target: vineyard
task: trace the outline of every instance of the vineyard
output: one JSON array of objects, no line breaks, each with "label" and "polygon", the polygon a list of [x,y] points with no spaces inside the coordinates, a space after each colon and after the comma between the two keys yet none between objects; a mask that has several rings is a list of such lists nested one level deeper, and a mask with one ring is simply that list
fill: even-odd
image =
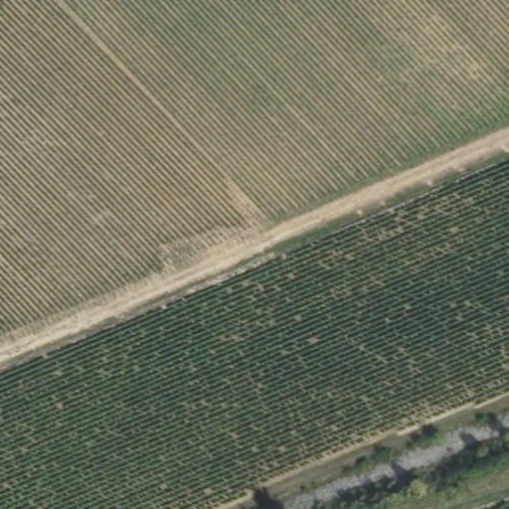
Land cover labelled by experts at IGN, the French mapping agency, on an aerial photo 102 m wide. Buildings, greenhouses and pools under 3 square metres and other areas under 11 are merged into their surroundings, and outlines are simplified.
[{"label": "vineyard", "polygon": [[503,127],[509,127],[509,0],[0,0],[0,344],[20,340],[28,334],[38,334],[46,326],[56,324],[68,316],[74,316],[84,308],[101,306],[105,294],[115,294],[127,284],[137,284],[155,272],[163,270],[165,274],[173,274],[181,268],[197,264],[203,258],[207,258],[207,249],[223,245],[223,241],[237,239],[239,243],[243,243],[251,239],[260,239],[262,233],[274,229],[284,221],[310,213],[340,197],[352,195],[378,181],[418,167],[433,157],[463,147]]},{"label": "vineyard", "polygon": [[481,157],[465,165],[463,171],[449,171],[437,177],[431,185],[418,183],[414,187],[408,187],[396,193],[394,197],[388,197],[380,205],[372,203],[368,207],[356,207],[348,215],[332,219],[302,235],[280,241],[223,270],[187,282],[177,290],[141,302],[133,306],[129,312],[125,312],[121,318],[105,318],[103,322],[87,330],[64,336],[56,342],[44,344],[36,350],[30,350],[22,356],[16,356],[0,364],[0,509],[211,509],[219,503],[227,503],[245,495],[245,489],[253,491],[254,495],[260,489],[258,481],[266,481],[272,475],[288,471],[296,463],[302,465],[312,457],[320,457],[324,451],[336,451],[344,447],[350,441],[352,433],[372,435],[380,429],[396,427],[400,420],[416,414],[416,406],[420,402],[427,402],[431,406],[445,406],[449,410],[469,402],[483,402],[487,398],[497,396],[499,392],[509,390],[509,153],[501,151],[489,157]]}]

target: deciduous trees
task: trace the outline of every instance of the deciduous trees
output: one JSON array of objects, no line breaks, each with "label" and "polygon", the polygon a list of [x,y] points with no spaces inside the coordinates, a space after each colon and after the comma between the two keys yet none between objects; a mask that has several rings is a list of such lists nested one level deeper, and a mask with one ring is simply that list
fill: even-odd
[{"label": "deciduous trees", "polygon": [[443,489],[457,489],[463,481],[483,479],[493,469],[505,471],[509,467],[509,425],[505,427],[501,424],[493,412],[479,410],[475,412],[475,422],[481,427],[491,427],[493,431],[497,431],[497,437],[473,439],[471,443],[463,445],[457,453],[443,457],[435,463],[425,483],[441,493]]},{"label": "deciduous trees", "polygon": [[384,463],[390,457],[390,451],[386,449],[386,445],[374,443],[370,455],[362,455],[354,463],[342,465],[342,473],[346,477],[358,475],[362,471],[372,471],[376,465]]}]

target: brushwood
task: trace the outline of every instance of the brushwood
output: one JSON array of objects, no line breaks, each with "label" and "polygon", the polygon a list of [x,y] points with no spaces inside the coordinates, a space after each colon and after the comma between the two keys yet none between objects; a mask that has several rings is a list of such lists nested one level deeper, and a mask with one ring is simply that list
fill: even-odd
[{"label": "brushwood", "polygon": [[404,469],[398,475],[380,477],[378,481],[338,491],[338,495],[330,501],[314,501],[312,509],[376,509],[374,505],[380,507],[382,499],[386,499],[388,495],[404,493],[412,481],[425,483],[435,463]]}]

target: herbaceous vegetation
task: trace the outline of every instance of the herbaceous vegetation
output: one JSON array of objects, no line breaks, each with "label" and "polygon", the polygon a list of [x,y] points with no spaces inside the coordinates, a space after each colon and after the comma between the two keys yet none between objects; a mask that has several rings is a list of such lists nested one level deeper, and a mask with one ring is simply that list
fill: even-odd
[{"label": "herbaceous vegetation", "polygon": [[402,455],[408,455],[410,451],[420,447],[420,441],[424,437],[439,439],[455,431],[457,427],[481,427],[475,422],[475,412],[479,410],[493,412],[501,424],[505,427],[509,425],[509,390],[499,392],[497,396],[487,398],[483,402],[469,402],[449,410],[445,406],[431,406],[427,402],[420,402],[416,406],[416,414],[400,420],[396,427],[380,429],[372,435],[352,433],[350,441],[344,447],[336,451],[324,451],[320,457],[312,457],[302,465],[296,463],[288,471],[272,475],[266,481],[258,481],[260,489],[254,495],[253,491],[245,489],[245,495],[227,503],[219,503],[211,509],[284,509],[282,505],[286,501],[292,501],[298,495],[316,491],[346,477],[342,473],[342,465],[354,463],[362,455],[370,455],[374,443],[386,445],[386,449],[390,451],[390,457],[384,463],[388,465],[390,461],[400,461]]},{"label": "herbaceous vegetation", "polygon": [[443,489],[441,493],[425,483],[412,481],[404,493],[388,495],[386,499],[382,499],[380,507],[374,505],[376,509],[509,509],[509,467],[505,471],[493,469],[483,479],[463,481],[457,489]]}]

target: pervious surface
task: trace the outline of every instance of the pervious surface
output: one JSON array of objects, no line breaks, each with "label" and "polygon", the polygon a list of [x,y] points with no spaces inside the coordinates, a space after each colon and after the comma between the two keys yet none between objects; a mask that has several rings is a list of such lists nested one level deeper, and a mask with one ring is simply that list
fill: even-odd
[{"label": "pervious surface", "polygon": [[404,469],[435,463],[443,457],[457,453],[463,445],[471,443],[473,439],[497,437],[497,431],[493,431],[491,427],[481,427],[457,427],[455,431],[439,439],[424,437],[420,441],[420,447],[410,451],[408,455],[402,455],[400,461],[390,461],[388,465],[384,463],[376,465],[372,471],[362,471],[358,475],[346,477],[316,491],[298,495],[292,501],[286,501],[282,505],[284,509],[312,509],[314,501],[330,501],[338,495],[338,491],[378,481],[380,477],[398,475]]},{"label": "pervious surface", "polygon": [[260,239],[251,239],[243,243],[239,243],[237,239],[223,241],[223,245],[207,249],[207,258],[203,258],[197,264],[181,268],[173,274],[165,274],[163,270],[155,272],[137,284],[127,284],[115,294],[105,294],[101,306],[84,308],[74,316],[68,316],[56,324],[46,326],[38,334],[28,334],[20,340],[0,344],[0,364],[16,356],[22,356],[30,350],[36,350],[44,344],[56,342],[64,336],[87,330],[103,322],[105,318],[121,318],[125,312],[129,312],[133,306],[141,302],[177,290],[187,282],[223,270],[280,241],[302,235],[332,219],[348,215],[356,207],[368,207],[372,203],[380,205],[388,197],[394,197],[396,193],[408,187],[414,187],[418,183],[431,185],[437,177],[449,171],[463,171],[465,165],[481,157],[489,157],[501,151],[509,153],[509,127],[503,127],[463,147],[433,157],[418,167],[378,181],[352,195],[340,197],[310,213],[284,221],[274,229],[262,233]]}]

